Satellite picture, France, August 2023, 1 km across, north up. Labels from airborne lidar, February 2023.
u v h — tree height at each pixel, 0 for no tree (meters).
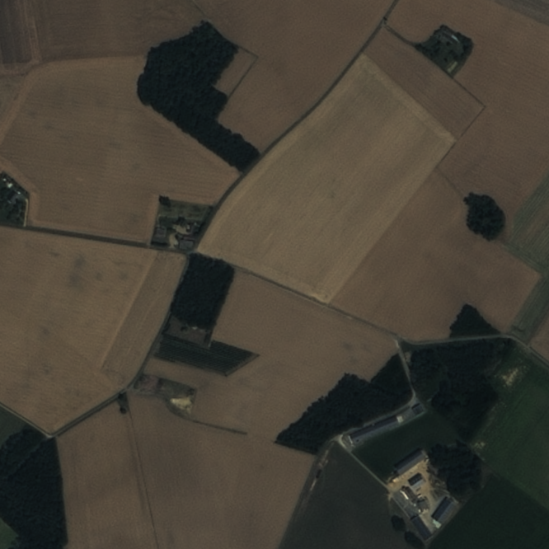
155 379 0
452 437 0
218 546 0
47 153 0
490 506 0
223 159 11
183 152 0
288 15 0
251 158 14
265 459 0
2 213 0
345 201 0
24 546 18
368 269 0
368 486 0
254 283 0
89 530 0
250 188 0
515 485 0
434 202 0
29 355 0
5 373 0
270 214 0
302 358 0
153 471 0
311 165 0
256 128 0
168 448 0
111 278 0
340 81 0
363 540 0
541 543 0
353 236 0
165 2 0
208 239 0
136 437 0
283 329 0
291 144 0
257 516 0
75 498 0
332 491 0
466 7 0
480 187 0
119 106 0
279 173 0
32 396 0
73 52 0
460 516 0
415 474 0
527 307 0
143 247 0
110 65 0
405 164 0
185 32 0
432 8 0
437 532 0
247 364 0
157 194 0
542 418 0
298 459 0
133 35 0
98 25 0
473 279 0
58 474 8
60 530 12
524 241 0
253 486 0
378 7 0
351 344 0
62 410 0
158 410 0
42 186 0
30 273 0
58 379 0
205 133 14
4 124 0
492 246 0
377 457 0
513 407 0
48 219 0
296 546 0
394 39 0
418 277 0
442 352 14
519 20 0
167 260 0
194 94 13
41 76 0
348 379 15
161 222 0
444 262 0
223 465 0
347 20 0
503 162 0
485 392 10
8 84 0
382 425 0
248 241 0
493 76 0
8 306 0
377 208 0
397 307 0
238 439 0
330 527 0
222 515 0
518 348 0
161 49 11
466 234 0
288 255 0
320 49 0
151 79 24
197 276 14
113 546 0
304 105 0
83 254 0
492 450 0
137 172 0
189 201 0
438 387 0
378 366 0
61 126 0
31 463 11
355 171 0
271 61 0
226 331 0
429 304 0
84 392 0
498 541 0
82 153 0
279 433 0
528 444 0
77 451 0
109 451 0
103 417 0
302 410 0
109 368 0
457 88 0
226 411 0
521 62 0
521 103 0
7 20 0
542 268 0
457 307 0
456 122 0
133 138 0
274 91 0
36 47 0
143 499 0
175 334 0
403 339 0
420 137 0
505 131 0
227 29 0
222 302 16
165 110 17
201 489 0
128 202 0
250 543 0
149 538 0
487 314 0
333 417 15
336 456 0
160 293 0
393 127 0
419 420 0
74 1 0
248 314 0
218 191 0
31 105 0
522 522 0
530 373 0
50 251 0
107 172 0
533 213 0
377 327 0
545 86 0
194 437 0
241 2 0
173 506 0
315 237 0
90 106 0
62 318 0
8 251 0
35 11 0
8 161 0
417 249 0
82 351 0
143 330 0
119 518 0
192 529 0
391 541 0
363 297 0
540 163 0
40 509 10
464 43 14
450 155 0
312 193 0
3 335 0
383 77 0
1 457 16
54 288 0
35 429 0
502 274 0
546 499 0
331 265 0
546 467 0
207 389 0
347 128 0
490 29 0
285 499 0
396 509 0
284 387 0
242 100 0
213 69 19
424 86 0
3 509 17
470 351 13
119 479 0
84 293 0
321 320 0
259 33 0
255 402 0
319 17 0
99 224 0
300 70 0
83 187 0
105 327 0
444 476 15
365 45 0
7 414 0
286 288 0
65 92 0
